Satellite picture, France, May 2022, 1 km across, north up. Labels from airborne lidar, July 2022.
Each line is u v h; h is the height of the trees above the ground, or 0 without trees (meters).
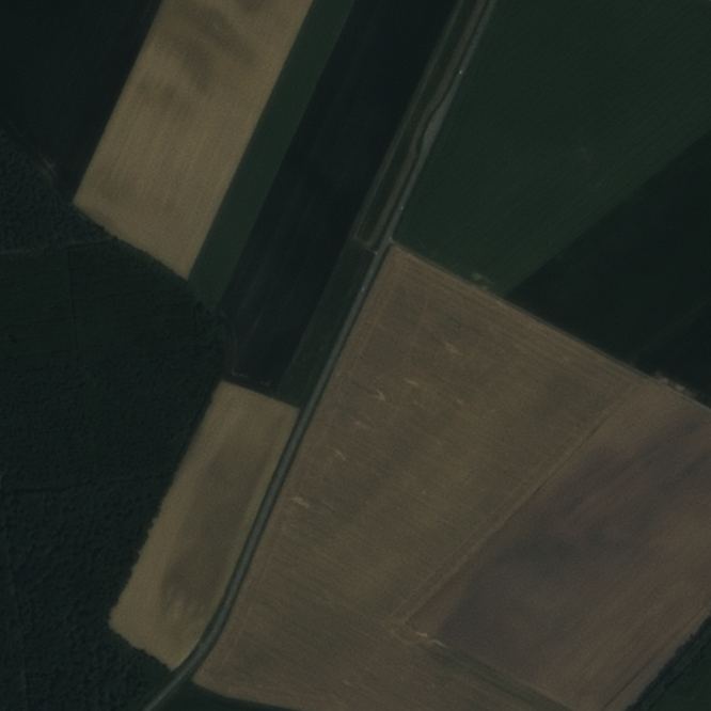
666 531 0
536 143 0
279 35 0
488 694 0
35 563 26
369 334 0
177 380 11
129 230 0
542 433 0
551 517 0
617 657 0
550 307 0
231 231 0
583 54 0
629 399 0
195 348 8
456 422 0
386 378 0
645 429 0
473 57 0
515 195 0
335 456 0
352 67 0
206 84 0
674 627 0
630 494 0
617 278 0
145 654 17
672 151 0
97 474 13
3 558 22
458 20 0
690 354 0
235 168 0
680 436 0
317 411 0
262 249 0
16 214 18
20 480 12
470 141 0
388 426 0
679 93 0
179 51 0
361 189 0
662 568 0
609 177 0
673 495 0
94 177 0
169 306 7
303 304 0
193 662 0
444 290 0
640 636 0
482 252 0
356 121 0
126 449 14
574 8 0
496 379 0
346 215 0
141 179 0
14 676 25
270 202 0
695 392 0
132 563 18
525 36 0
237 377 0
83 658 26
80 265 6
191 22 0
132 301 7
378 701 0
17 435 11
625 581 0
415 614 0
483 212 0
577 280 0
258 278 0
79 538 30
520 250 0
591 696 0
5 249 19
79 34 0
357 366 0
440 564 0
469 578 0
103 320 6
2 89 0
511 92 0
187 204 0
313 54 0
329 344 0
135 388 13
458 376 0
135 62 0
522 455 0
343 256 0
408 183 0
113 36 0
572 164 0
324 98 0
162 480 16
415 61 0
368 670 0
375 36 0
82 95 0
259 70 0
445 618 0
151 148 0
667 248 0
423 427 0
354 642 0
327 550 0
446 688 0
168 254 0
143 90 0
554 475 0
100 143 0
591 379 0
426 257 0
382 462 0
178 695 0
